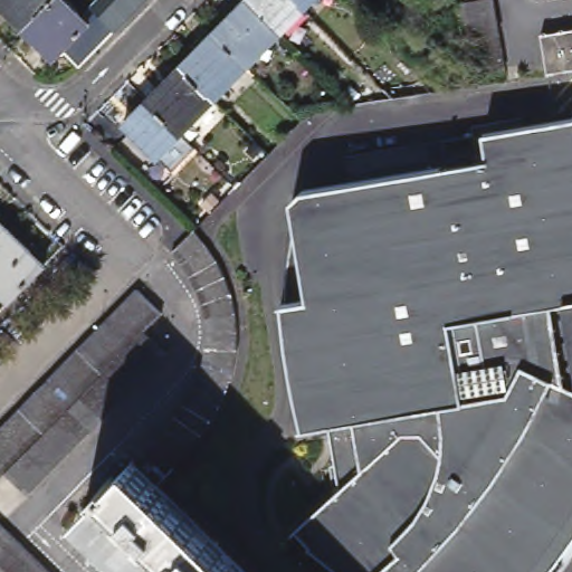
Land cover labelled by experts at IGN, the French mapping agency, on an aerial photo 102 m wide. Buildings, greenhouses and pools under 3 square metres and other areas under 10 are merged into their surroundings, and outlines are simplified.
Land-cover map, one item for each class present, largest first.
<instances>
[{"label":"building","instance_id":"1","mask_svg":"<svg viewBox=\"0 0 572 572\"><path fill-rule=\"evenodd\" d=\"M147 0H92V18L83 20L65 0H0V25L9 22L18 31L16 36L25 38L31 51L40 54L42 65L58 63L63 51H67L74 58V63L80 60L105 34L121 31L145 7ZM308 9L320 11L324 9L322 0H241L192 49V54L130 114V121L121 127V134L123 143L132 150V154H136L141 161H152L159 165L161 159L168 152H172V143L179 136H183L190 130V125L199 121L210 107H219L223 92H230L232 83L250 69L255 63L270 60L273 45L279 42V38L284 36L288 27L302 22ZM463 25H471L487 36V47L492 56L489 67L494 72H507V45L503 31L501 0H463L460 16ZM543 80L536 83H572V29L538 36ZM480 159L476 165L313 190L297 194L286 203V266L295 268L299 295L297 304L275 308L286 400L293 416L295 438H320L324 442V449L333 451L335 471L340 476L333 478L335 494L326 498L311 516L297 523L290 536L322 572H572V118L561 123L485 134L478 139ZM42 270L40 261H36L22 244H18L0 226V304H13L22 290H29L31 282ZM165 317V311L163 306H152L141 293H134L105 324H98L96 331H92V337L83 344V349H78L60 366V371L40 391H36L31 400L0 429V478L11 480L20 492L38 487V483L85 436V429L92 425V420L96 416L103 418L109 378L121 369L127 353L136 344L145 342L147 328H152L159 320ZM136 467L127 465L125 471H121L116 478L118 485L105 489V494L98 501L89 503L76 516L74 525L65 532V541H69L85 556V565L92 572H246L244 559L223 538H219L217 530L206 523V518H201L194 512V503L190 498H183L177 489L168 487L159 478H136ZM42 568L38 565V561L31 554H27L0 527V572H40Z\"/></svg>","mask_w":572,"mask_h":572},{"label":"impervious surface","instance_id":"2","mask_svg":"<svg viewBox=\"0 0 572 572\"><path fill-rule=\"evenodd\" d=\"M241 0H147L145 7L121 31L105 34L80 60L74 63V58L67 51H63L58 63L74 67L76 76L54 85H42L36 80V69L42 65L40 54L31 51L27 58H16V51L0 40V226L18 244H22L36 261H40L42 270L31 282L29 290H22L13 304H0V337H4L7 342L16 344V355H13V360H7V362H4V364L0 366V429L31 400L36 391H40L60 371V366L78 349H83V344L92 337V331H96L98 324H105L134 293H141L152 306H163L165 311V317L159 320L152 328H147L145 342L136 344L127 353L121 369L109 378L103 418L96 416L92 420V425L85 429V436L38 483V487L20 492L11 480L0 478V527L27 554H31L38 561V565L42 568L40 572H92L85 565V556L69 541H65V532L74 525L76 516L89 503L98 501L105 494V489L118 485L116 478L121 471H125L127 465L136 467V478H159L168 487L177 489L183 498H190L194 503V512L201 518H206V523L217 530L219 538H223L244 559L246 572H322L290 536L297 523L311 516L326 498L335 494L333 478L340 476L335 471L333 451L324 449V442L320 438H295L293 416L286 400L275 308L297 304L299 295L295 268L286 266V203L297 194L313 190L476 165L480 159L478 139L485 134L561 123L572 118V83H536L543 80L538 36L572 29V0H501L503 31L507 45V72L503 85L438 94L425 85L413 87L409 80H404L409 76V67L402 63H398V72L402 74L400 78H393L387 67H369L364 58L322 18L320 11L308 9L302 22L288 27L284 36H288L293 42H299L304 40V36H315L324 45L326 54L340 60V65L349 67L355 63L364 72L358 78V83L364 89L351 92L355 107L346 116L324 114L313 116L308 121H282L277 125V132L284 134V143H270L259 134L257 125L248 123L237 114L232 101L239 98L241 89L255 80L250 69L232 83L230 92H223L219 107H210L199 121L190 125V130L183 136H179L172 143V152H168L161 159L159 165L152 161H141L136 154H132V150L123 143L121 134V127L130 121V114L192 54V49ZM172 31H181L177 36L179 51L170 60H161L159 65H154L152 54H161V42ZM223 116L226 121L239 127V141L246 145L248 152V168L241 174H237L239 183L221 185V192L228 194L223 201H215L212 197H208L199 199V206L185 203L181 199V190L174 188L170 181L179 177L185 163L192 161V156L197 154L190 147V141L201 143L206 134ZM112 150H118L127 161L134 163V168L143 172H150L152 168H163L159 190L183 212L185 219L194 223V230L185 232L125 170H121L112 161ZM223 223L237 226L244 252V264L239 268L223 257L217 244V232ZM76 268H83L96 279L87 302L72 306L65 320L42 322L38 335L31 342H27L22 333L11 326V320L18 313L27 311L36 293L54 282V273H67ZM250 313H264L268 328L277 393L270 420L261 418L257 409L239 393L248 360L246 317Z\"/></svg>","mask_w":572,"mask_h":572},{"label":"herbaceous vegetation","instance_id":"3","mask_svg":"<svg viewBox=\"0 0 572 572\"><path fill-rule=\"evenodd\" d=\"M83 20L92 18V0H65ZM324 9L320 11L322 18L364 58L369 67H387L393 78H400L402 74L398 72V63H402V58L391 51L389 45H366L360 38L355 29V9L342 4L340 0H322ZM18 31L9 22L0 25V40L16 51V58H27L31 51L25 38L16 36ZM299 51L311 63H315L324 74H328L337 83L342 94L351 92L364 89L358 83V78L364 72L355 63L349 67L340 65V60L326 54L324 45L315 36H304V40L299 42ZM255 80L241 89L239 98L232 101L237 114L248 123L257 125L259 134L270 143H284V134L277 132V125L282 121H288L286 116L293 107L326 103V89L313 83L304 65L286 56V49L279 42L273 45L270 60L255 63L250 69ZM270 74H279L284 83L297 85L299 96H293L286 103L273 96L268 87L261 85L264 76ZM190 147L197 154L212 168L217 163L228 161V172L237 174H241L248 168V152L246 145L239 141V127L226 121L223 116L206 134L201 143L190 141ZM217 244L223 257L239 268L244 264V252L237 226L223 223L217 232ZM248 360L239 393L257 409L261 418L270 420L277 393L268 328L264 313H250L246 317Z\"/></svg>","mask_w":572,"mask_h":572},{"label":"brushwood","instance_id":"4","mask_svg":"<svg viewBox=\"0 0 572 572\"><path fill-rule=\"evenodd\" d=\"M378 45H389L391 51L402 58V63L409 67V76L404 80H409L413 87L425 85L438 94L503 85L507 72H494L489 67L492 56L487 47V36L471 25H463L460 16L451 20L445 29L436 31L433 38L411 36L409 29L400 25V29L382 34ZM181 31H172L161 42V54H152L154 65H159L161 60H170L179 51L177 36ZM279 42L286 49V56L304 65L313 83L326 89V103L293 107L286 116L288 121H308L313 116L324 114L346 116L355 107L351 92L342 94L337 83L328 74H324L315 63H311L299 51V42H293L288 36H284L279 38ZM76 76L74 67L58 63L42 65L36 69V80L42 85H54ZM261 85L268 87L273 96L286 103L293 96H299L297 85L284 83L279 74H270L264 76ZM112 161L121 170H125L185 232L194 230V223L185 219L183 212L159 190L163 168H152L150 172H143L134 168V163L127 161L118 150H112Z\"/></svg>","mask_w":572,"mask_h":572},{"label":"deciduous trees","instance_id":"5","mask_svg":"<svg viewBox=\"0 0 572 572\"><path fill-rule=\"evenodd\" d=\"M342 4L355 9V29L360 38L366 45H378L382 34L400 29V25L409 29L411 36L433 38L436 31L445 29L451 20L460 16L463 0H340ZM96 279L83 268H76L67 273H54V282L36 293L27 311L18 313L11 320V326L22 333L27 342H31L38 335L42 322L65 320L72 306L87 302ZM13 355H16V344L7 342L4 337H0V366L4 364V362H7V360H13Z\"/></svg>","mask_w":572,"mask_h":572},{"label":"pervious surface","instance_id":"6","mask_svg":"<svg viewBox=\"0 0 572 572\"><path fill-rule=\"evenodd\" d=\"M174 188L181 190V199L185 203L199 206V199L208 197H212L215 201H223L228 194L221 192V185L239 183L237 174L228 172V161L217 163L212 168L197 154L192 156V161L185 163L179 177L170 181Z\"/></svg>","mask_w":572,"mask_h":572}]
</instances>
